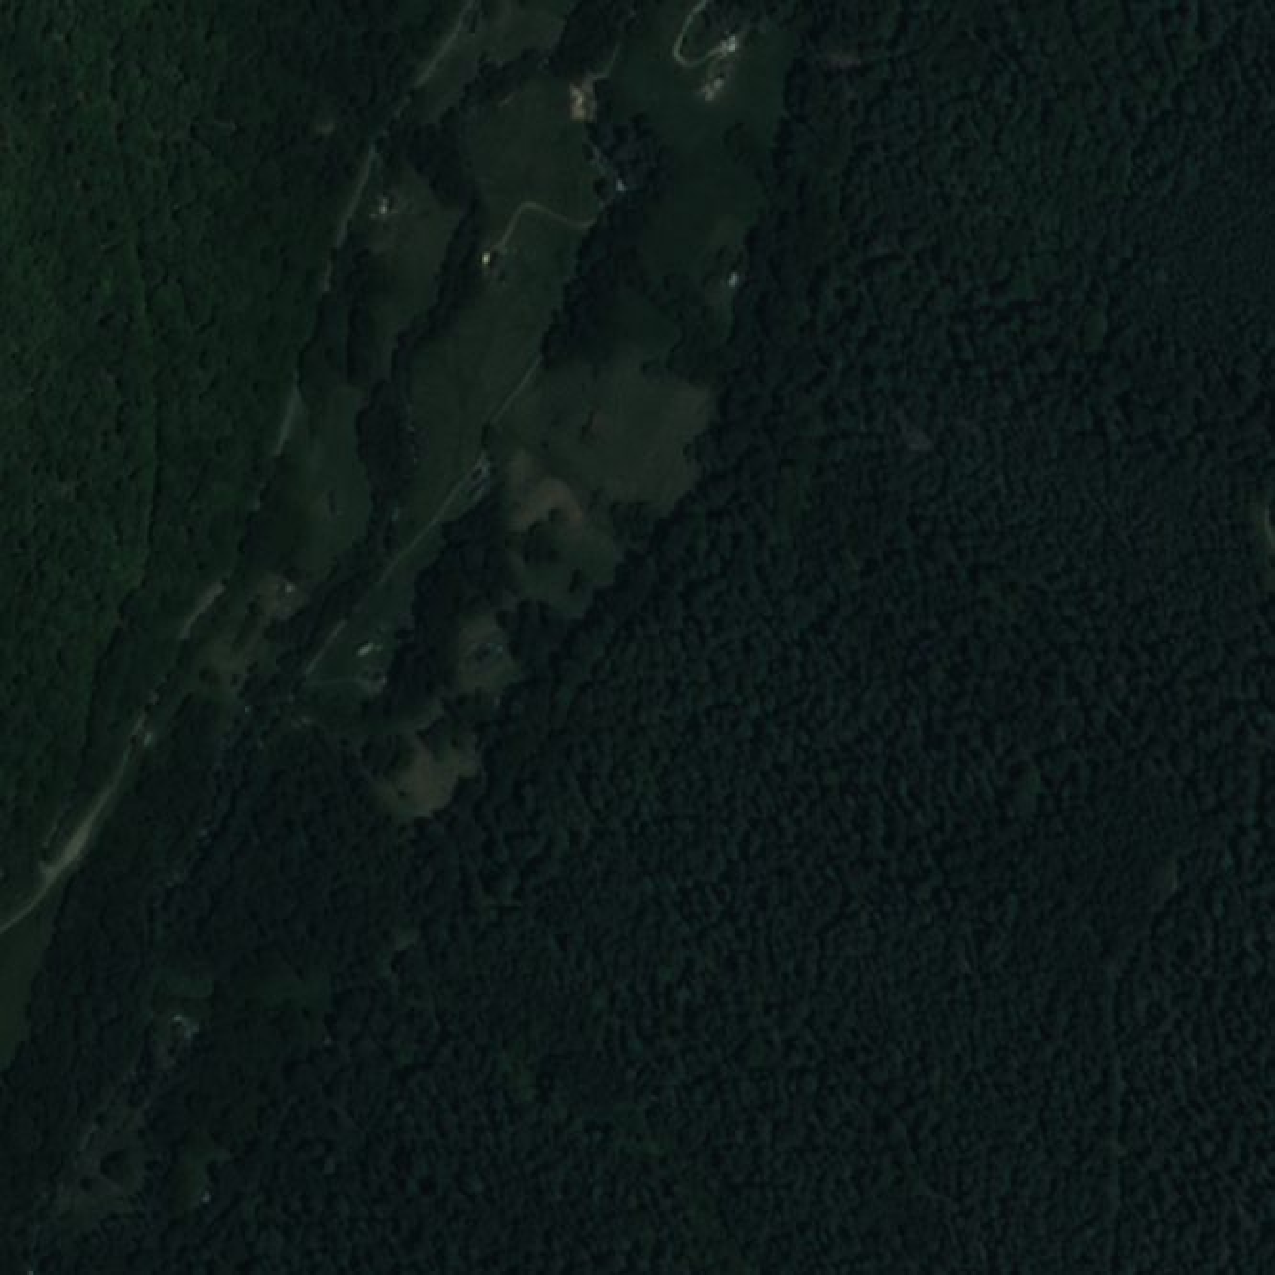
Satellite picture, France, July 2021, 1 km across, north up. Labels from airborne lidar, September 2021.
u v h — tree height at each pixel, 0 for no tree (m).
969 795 33
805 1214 33
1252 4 23
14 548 31
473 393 0
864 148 13
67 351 33
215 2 22
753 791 20
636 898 12
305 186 18
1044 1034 15
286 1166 17
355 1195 13
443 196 6
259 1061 9
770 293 17
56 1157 21
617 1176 15
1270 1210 25
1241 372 33
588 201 0
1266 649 34
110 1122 22
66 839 8
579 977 24
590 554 0
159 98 25
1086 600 16
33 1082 24
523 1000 14
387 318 0
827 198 22
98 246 31
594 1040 20
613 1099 17
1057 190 21
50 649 31
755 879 28
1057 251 14
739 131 10
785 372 20
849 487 16
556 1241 31
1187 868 15
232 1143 9
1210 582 21
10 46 20
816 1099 20
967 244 12
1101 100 24
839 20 32
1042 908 19
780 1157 30
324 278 10
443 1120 29
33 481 30
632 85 0
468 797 22
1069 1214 15
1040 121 17
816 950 24
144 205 27
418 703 8
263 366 13
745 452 20
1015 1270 13
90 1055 16
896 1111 13
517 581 9
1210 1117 31
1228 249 18
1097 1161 22
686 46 7
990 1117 22
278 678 17
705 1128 21
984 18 19
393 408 10
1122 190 16
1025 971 22
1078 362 33
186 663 21
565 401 0
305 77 19
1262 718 30
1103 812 17
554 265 0
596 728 19
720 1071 25
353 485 0
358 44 9
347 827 12
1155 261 21
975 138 18
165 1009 8
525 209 0
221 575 30
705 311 8
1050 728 28
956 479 19
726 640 24
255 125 14
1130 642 10
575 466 0
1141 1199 24
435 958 16
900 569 23
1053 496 12
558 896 16
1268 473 18
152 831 18
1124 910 15
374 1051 22
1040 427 23
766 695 27
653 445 0
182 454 16
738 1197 10
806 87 20
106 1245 22
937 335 30
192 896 22
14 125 27
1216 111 25
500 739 19
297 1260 11
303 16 12
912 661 28
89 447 27
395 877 16
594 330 23
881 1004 23
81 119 26
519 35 0
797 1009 23
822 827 16
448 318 14
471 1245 26
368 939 23
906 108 22
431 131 19
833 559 19
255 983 7
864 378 14
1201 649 26
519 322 0
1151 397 17
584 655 34
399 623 0
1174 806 17
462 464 0
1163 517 22
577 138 0
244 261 24
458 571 16
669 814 10
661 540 16
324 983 0
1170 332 20
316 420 12
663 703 23
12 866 19
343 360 6
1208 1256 12
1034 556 31
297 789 8
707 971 19
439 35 13
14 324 23
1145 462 18
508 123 0
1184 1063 27
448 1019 19
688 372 6
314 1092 15
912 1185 20
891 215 18
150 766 14
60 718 29
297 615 13
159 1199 20
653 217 8
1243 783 28
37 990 14
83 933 29
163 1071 18
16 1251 20
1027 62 33
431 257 0
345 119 11
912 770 27
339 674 0
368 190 11
